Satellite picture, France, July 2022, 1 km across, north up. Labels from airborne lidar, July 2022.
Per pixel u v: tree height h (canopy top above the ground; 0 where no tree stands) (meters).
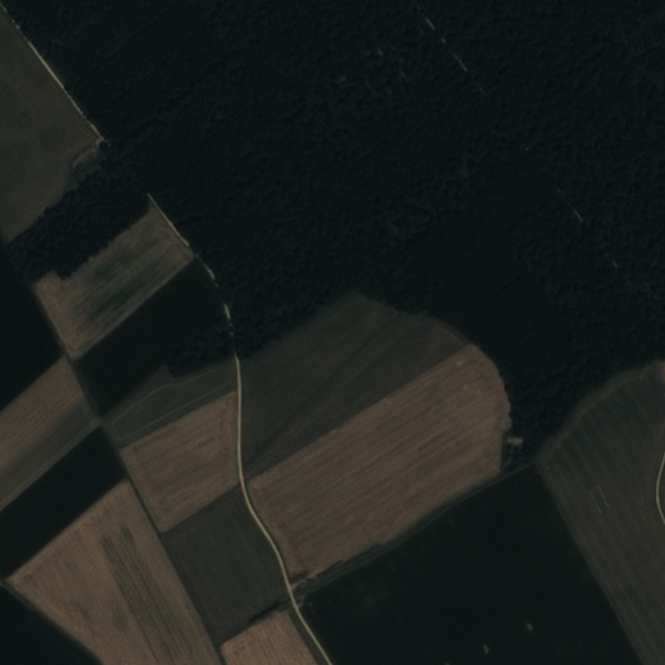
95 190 17
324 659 0
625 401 0
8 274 0
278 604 7
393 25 22
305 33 22
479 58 14
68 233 20
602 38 24
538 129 26
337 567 0
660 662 0
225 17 14
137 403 0
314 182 17
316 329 0
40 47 18
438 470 0
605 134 29
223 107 27
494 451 0
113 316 0
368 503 0
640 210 28
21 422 0
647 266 27
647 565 0
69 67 5
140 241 0
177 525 0
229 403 0
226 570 0
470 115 15
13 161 0
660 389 0
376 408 0
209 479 0
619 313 26
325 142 24
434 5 23
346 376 0
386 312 0
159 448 0
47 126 0
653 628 0
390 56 22
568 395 20
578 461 0
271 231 22
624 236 25
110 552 0
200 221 19
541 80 26
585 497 0
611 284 23
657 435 0
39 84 0
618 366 17
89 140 0
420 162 15
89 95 6
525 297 7
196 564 0
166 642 0
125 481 0
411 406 0
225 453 0
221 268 17
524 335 8
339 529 0
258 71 19
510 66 22
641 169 29
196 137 15
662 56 7
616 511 0
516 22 23
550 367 11
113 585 0
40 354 0
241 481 0
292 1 17
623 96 23
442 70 27
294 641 0
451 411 0
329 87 19
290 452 0
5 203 0
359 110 20
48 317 0
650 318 25
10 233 0
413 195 20
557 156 21
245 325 22
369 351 0
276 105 20
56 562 0
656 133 28
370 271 20
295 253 22
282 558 0
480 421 0
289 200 18
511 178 16
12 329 0
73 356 0
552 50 27
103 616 0
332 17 24
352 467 0
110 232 14
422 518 0
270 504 0
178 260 0
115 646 0
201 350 16
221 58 8
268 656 0
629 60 25
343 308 0
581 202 21
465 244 14
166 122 18
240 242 26
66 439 0
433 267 20
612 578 0
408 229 9
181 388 0
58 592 0
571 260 24
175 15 7
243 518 0
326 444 0
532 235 15
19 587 0
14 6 17
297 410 0
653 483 0
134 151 20
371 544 0
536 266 23
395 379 0
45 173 0
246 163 23
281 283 25
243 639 0
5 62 0
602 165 26
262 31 24
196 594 0
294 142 25
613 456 0
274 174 24
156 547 0
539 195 16
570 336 20
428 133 16
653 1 26
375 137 17
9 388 0
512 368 10
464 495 0
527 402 20
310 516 0
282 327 23
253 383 0
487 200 16
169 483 0
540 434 16
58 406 0
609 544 0
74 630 0
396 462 0
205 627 0
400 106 23
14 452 0
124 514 0
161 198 14
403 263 21
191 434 0
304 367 0
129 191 18
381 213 23
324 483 0
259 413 0
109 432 0
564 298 9
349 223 21
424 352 0
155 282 0
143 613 0
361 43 22
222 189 15
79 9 19
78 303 0
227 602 0
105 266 0
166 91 15
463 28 22
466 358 0
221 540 0
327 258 20
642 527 0
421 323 0
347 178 18
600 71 17
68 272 14
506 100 18
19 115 0
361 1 20
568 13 26
